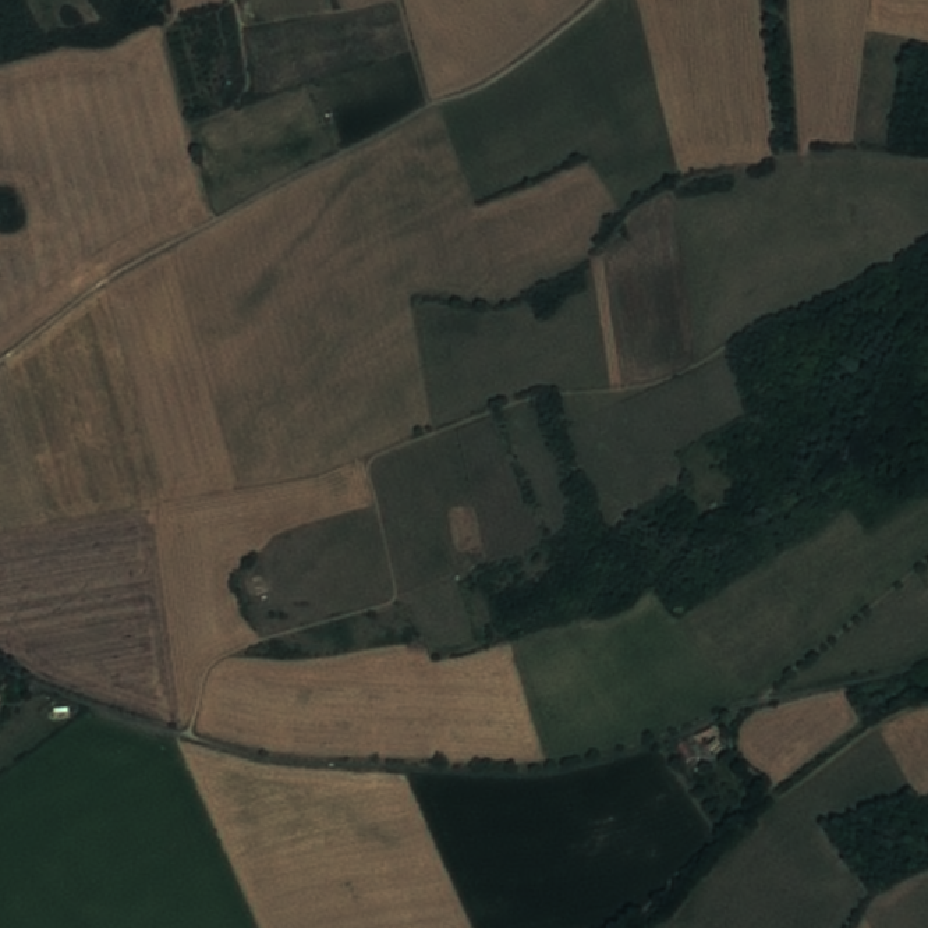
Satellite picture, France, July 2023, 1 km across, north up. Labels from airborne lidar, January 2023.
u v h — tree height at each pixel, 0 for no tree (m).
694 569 16
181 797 0
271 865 0
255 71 7
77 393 0
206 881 0
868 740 0
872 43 0
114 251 0
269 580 0
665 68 0
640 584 9
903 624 0
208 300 0
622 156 0
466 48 0
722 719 9
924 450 19
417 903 0
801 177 0
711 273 0
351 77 0
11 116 0
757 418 12
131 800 0
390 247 0
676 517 13
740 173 0
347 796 0
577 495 11
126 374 0
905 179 0
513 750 0
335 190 0
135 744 0
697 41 0
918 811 6
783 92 11
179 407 0
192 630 0
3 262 0
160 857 0
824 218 0
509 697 0
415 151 0
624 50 0
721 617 0
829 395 21
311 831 0
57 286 0
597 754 11
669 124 0
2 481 0
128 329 0
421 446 0
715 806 14
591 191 0
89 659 0
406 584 0
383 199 0
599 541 9
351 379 0
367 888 0
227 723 0
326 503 0
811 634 0
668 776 0
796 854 0
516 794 0
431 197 0
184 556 0
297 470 0
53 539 0
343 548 0
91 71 0
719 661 0
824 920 0
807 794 0
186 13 8
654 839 0
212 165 0
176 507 0
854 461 23
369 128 0
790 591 0
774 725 0
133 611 0
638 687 0
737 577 14
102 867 0
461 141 0
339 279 0
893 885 13
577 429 0
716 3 0
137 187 0
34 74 0
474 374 0
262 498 0
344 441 0
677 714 0
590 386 0
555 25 0
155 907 0
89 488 0
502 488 0
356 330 0
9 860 0
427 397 0
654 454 0
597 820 0
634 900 0
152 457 0
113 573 0
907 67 20
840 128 0
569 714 0
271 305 0
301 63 0
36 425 0
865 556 0
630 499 0
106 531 0
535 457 0
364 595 0
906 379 13
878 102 0
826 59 0
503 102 0
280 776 0
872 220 0
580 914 0
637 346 0
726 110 0
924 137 15
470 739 0
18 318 0
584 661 0
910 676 7
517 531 0
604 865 0
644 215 0
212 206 0
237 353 0
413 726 0
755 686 0
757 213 0
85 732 0
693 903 0
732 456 9
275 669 0
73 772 0
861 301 18
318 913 0
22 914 0
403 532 0
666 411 0
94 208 0
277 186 0
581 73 0
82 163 0
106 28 7
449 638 0
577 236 0
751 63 0
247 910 0
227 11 7
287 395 0
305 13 0
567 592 10
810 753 0
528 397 8
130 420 0
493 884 0
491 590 6
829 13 0
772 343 14
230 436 0
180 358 0
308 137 0
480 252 0
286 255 0
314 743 0
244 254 0
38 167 0
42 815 0
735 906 0
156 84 0
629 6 0
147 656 0
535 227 0
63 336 0
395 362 0
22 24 9
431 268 0
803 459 25
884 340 26
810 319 11
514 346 0
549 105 0
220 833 0
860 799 0
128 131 0
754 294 0
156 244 0
